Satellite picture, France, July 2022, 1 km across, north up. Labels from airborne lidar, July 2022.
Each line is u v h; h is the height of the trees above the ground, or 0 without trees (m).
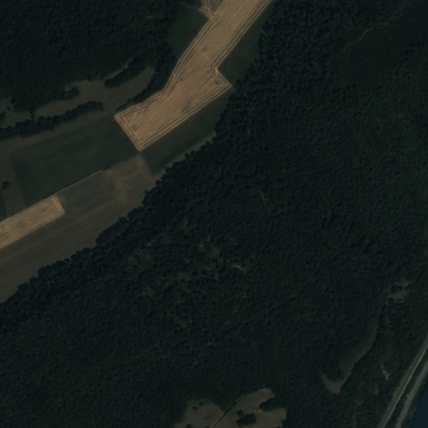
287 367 18
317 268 17
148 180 0
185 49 0
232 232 21
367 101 6
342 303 22
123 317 21
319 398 14
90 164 0
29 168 0
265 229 16
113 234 27
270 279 17
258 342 18
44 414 16
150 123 0
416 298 15
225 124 22
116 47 20
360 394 13
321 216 26
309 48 21
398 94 19
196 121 0
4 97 13
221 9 0
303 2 13
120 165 0
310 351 26
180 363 14
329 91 24
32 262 0
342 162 13
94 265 11
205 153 9
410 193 8
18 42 24
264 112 22
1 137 18
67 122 17
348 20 23
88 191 0
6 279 0
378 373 16
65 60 18
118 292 17
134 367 16
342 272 21
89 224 0
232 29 0
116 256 6
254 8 0
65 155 0
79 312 17
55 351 16
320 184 17
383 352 18
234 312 17
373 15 13
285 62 22
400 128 12
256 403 0
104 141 0
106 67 16
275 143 22
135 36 18
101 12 21
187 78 0
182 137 0
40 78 21
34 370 21
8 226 0
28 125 19
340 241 23
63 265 22
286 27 23
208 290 16
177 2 22
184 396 17
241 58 0
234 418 0
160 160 0
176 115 0
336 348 29
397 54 5
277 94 20
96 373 17
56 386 15
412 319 15
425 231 12
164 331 20
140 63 24
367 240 32
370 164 18
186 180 10
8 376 18
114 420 16
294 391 17
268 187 29
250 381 17
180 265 21
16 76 18
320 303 21
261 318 10
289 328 12
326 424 13
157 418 16
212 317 17
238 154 22
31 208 0
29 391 21
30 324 19
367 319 21
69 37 21
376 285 21
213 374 19
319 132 12
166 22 25
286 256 18
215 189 27
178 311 20
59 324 19
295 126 15
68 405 16
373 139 16
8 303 11
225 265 14
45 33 24
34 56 22
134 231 30
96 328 21
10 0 24
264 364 14
